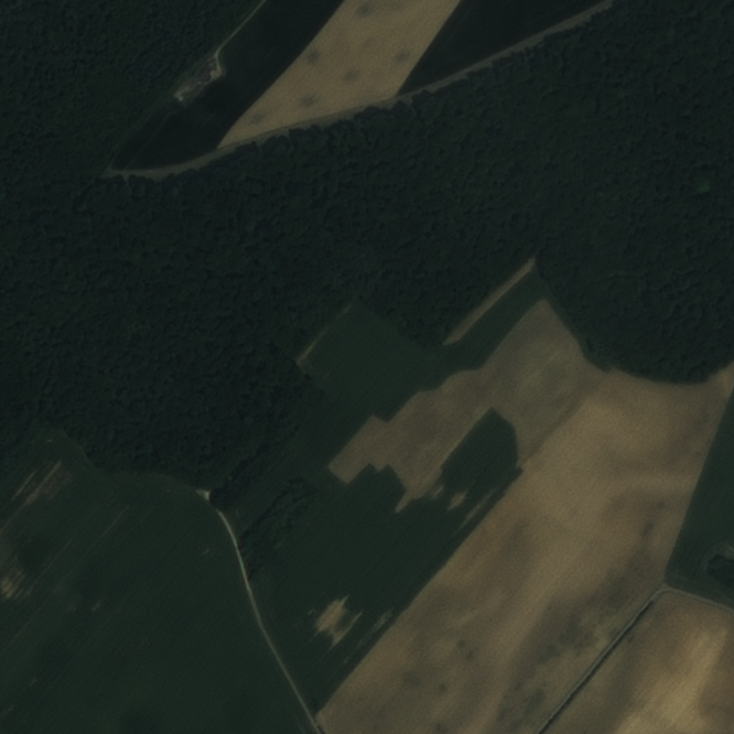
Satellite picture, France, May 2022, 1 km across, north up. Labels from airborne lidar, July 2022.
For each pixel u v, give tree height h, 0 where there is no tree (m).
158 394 24
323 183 26
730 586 10
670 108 27
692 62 21
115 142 18
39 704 0
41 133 23
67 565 0
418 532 0
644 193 25
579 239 29
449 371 0
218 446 25
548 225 30
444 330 22
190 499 0
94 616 0
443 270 28
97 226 25
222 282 28
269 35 0
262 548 7
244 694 0
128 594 0
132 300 21
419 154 25
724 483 0
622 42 22
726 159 18
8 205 24
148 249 27
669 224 23
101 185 21
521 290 0
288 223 28
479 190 23
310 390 23
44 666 0
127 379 25
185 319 20
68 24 23
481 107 24
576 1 0
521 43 0
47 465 0
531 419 0
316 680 0
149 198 26
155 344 26
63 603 0
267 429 23
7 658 0
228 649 0
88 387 26
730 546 0
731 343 26
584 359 0
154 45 23
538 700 0
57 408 25
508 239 24
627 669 0
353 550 0
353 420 0
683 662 0
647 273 26
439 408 0
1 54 20
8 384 18
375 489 0
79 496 0
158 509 0
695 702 0
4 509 0
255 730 0
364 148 18
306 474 0
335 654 0
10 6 25
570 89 28
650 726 0
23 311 28
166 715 0
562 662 0
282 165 30
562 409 0
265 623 0
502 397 0
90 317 20
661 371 22
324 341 0
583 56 27
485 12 0
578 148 28
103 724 0
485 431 0
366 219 28
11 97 20
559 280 23
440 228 29
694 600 0
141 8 15
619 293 29
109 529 0
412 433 0
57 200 28
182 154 0
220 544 0
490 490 0
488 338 0
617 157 21
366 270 20
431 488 0
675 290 26
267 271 29
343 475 0
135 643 0
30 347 22
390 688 0
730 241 28
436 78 0
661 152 25
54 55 23
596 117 26
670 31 25
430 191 24
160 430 26
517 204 25
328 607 0
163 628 0
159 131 0
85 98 14
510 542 0
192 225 29
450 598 0
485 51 0
